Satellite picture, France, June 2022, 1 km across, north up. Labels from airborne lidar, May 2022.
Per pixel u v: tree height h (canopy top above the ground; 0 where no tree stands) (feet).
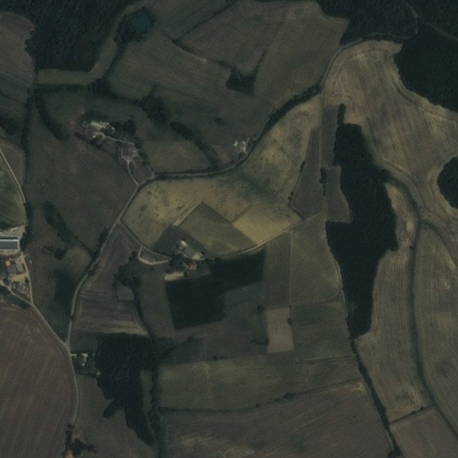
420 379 0
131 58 0
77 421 0
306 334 0
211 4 0
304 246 0
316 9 0
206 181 0
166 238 0
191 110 0
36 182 0
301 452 0
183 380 0
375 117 0
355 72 0
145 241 0
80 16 52
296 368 0
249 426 0
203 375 0
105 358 56
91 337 0
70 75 0
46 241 0
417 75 41
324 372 0
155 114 117
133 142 0
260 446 0
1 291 28
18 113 0
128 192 0
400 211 0
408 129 0
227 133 0
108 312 0
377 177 84
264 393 0
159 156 0
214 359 27
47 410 0
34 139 0
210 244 0
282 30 0
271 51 0
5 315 0
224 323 0
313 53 0
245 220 0
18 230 0
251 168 0
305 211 0
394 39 51
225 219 0
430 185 0
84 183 0
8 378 0
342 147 58
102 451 0
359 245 50
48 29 55
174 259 43
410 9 38
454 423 0
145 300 0
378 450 0
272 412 0
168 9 0
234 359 0
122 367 39
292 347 0
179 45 19
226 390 0
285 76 0
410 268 0
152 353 113
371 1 49
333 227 43
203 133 0
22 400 0
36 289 0
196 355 0
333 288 0
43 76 0
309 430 0
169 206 0
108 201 0
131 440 0
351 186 58
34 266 0
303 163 21
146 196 0
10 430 0
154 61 0
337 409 0
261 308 38
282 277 0
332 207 0
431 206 0
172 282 0
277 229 0
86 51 51
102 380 63
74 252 0
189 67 0
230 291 0
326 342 0
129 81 0
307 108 0
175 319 0
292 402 0
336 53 0
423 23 43
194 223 0
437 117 0
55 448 0
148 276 0
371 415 0
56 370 0
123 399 60
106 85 95
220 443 0
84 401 0
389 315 0
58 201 0
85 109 0
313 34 0
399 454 42
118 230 0
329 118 0
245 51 0
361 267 43
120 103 0
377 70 0
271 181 0
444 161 0
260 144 0
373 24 37
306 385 0
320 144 0
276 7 0
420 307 0
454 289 0
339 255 36
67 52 53
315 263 0
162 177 35
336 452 0
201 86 0
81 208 0
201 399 0
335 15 20
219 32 0
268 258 0
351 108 0
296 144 0
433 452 0
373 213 47
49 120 33
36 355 0
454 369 0
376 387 0
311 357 0
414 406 0
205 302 0
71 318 26
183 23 0
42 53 39
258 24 0
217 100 0
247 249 0
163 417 0
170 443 0
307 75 0
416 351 0
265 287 0
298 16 0
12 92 0
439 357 0
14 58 0
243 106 0
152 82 0
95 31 41
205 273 0
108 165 0
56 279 0
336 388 0
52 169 0
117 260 0
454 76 54
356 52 0
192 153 0
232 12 0
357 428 0
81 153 0
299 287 0
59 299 0
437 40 37
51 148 0
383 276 0
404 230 0
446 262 0
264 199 0
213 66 0
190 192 0
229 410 0
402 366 0
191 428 0
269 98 0
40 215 0
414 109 0
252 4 0
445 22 49
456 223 0
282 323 0
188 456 0
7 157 0
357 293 36
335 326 0
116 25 0
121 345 37
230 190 0
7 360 0
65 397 0
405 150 0
